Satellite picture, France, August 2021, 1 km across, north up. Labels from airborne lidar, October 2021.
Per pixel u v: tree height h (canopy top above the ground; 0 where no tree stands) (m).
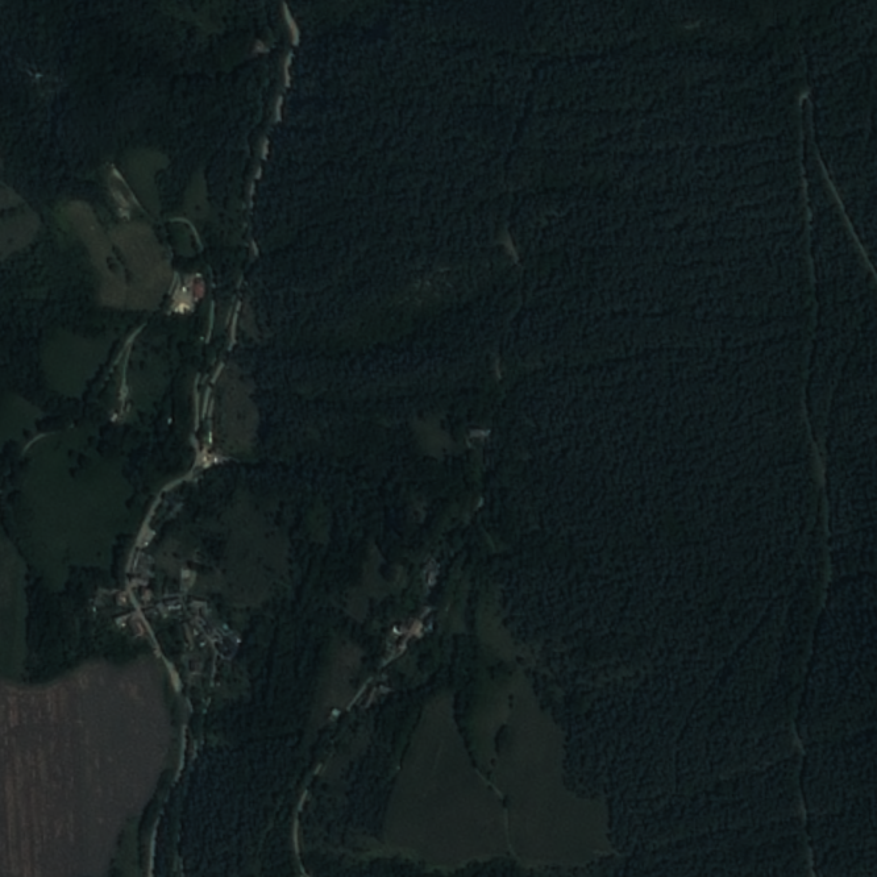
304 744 10
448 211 12
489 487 16
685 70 13
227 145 10
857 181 9
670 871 12
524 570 14
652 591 13
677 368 12
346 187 14
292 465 15
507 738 9
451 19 14
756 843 11
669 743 13
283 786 7
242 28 7
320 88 8
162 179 6
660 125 12
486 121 17
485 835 0
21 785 0
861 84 16
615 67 12
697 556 6
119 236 0
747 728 13
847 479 13
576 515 12
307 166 12
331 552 7
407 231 12
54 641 12
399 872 11
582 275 13
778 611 22
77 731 0
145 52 28
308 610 14
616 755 8
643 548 8
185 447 9
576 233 14
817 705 17
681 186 9
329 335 6
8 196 0
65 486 0
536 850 0
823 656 16
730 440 13
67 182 16
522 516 13
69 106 18
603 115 19
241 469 27
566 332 15
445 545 6
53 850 0
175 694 0
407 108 14
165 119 13
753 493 17
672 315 16
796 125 14
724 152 15
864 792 11
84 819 0
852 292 18
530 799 0
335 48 17
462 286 12
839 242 12
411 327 7
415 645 10
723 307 14
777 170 12
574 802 0
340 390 13
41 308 12
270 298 11
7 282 9
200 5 6
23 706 0
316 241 7
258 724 11
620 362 12
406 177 14
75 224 0
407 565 12
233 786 12
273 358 7
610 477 9
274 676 17
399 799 0
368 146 10
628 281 8
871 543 16
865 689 23
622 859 7
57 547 0
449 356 14
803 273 12
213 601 10
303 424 11
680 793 9
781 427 10
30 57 6
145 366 9
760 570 13
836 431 10
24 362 29
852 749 13
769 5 11
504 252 9
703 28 8
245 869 12
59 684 0
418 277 10
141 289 0
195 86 22
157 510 6
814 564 11
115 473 0
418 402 12
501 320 15
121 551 12
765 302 11
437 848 0
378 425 8
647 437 8
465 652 7
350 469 7
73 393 0
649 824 12
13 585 0
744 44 19
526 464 7
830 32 12
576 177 14
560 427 10
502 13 18
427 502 17
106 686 0
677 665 14
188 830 12
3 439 0
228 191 14
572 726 11
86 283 7
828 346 16
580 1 16
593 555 12
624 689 8
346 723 10
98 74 26
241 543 0
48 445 0
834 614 10
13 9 12
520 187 12
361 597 0
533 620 11
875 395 11
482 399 7
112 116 18
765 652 23
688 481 19
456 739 0
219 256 12
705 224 6
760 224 7
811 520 10
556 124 19
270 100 8
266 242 12
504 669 10
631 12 7
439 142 15
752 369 15
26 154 11
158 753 0
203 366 11
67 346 0
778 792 14
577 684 10
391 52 12
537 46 9
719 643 10
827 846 13
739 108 16
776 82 15
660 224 12
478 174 7
